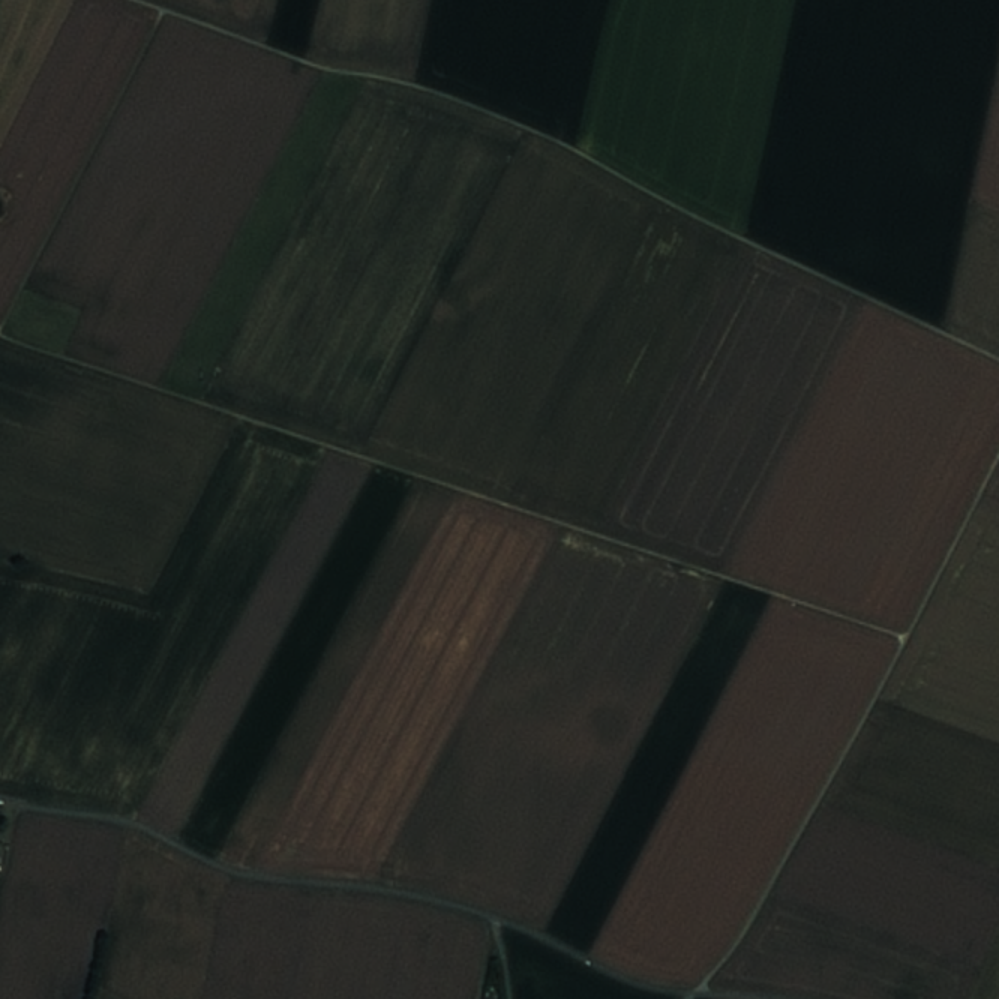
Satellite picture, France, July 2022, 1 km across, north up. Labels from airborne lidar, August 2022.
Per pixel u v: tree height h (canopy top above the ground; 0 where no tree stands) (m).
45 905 0
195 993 0
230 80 0
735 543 0
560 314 0
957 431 0
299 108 0
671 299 0
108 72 0
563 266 0
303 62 0
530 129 0
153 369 0
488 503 0
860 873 0
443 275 0
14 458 0
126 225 0
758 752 0
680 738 0
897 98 0
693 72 0
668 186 0
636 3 0
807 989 0
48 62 0
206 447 0
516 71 0
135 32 0
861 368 0
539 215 0
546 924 0
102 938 13
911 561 0
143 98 0
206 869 0
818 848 0
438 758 0
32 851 0
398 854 0
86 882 0
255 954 0
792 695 0
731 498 0
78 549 0
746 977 0
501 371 0
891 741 0
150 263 0
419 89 0
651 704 0
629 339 0
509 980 0
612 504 0
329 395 0
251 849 0
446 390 0
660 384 0
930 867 0
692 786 0
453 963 0
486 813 0
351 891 0
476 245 0
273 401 0
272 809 0
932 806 0
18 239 0
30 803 0
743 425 0
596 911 0
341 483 0
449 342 0
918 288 0
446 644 0
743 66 0
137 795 0
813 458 0
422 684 0
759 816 0
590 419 0
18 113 0
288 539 0
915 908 0
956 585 0
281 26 0
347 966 0
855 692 0
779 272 0
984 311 0
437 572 0
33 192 0
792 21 0
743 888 0
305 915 0
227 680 0
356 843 0
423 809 0
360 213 0
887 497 0
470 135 0
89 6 0
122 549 0
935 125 0
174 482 0
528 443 0
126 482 0
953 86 0
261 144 0
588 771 0
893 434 0
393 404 0
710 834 0
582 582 0
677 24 0
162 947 0
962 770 0
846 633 0
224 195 0
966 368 0
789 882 0
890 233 0
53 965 0
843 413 0
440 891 0
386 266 0
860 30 0
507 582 0
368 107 0
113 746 0
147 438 0
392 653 0
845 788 0
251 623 0
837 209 0
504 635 0
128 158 0
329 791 0
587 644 0
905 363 0
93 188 0
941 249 0
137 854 0
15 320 0
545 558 0
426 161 0
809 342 0
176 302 0
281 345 0
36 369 0
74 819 0
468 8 0
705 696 0
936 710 0
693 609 0
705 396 0
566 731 0
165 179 0
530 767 0
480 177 0
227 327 0
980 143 0
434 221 0
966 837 0
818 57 0
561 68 0
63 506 0
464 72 0
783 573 0
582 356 0
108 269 0
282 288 0
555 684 0
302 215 0
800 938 0
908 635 0
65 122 0
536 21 0
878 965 0
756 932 0
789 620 0
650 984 0
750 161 0
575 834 0
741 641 0
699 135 0
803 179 0
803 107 0
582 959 0
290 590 0
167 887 0
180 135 0
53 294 0
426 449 0
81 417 0
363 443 0
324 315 0
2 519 0
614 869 0
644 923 0
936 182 0
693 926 0
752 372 0
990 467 0
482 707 0
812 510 0
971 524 0
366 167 0
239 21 0
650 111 0
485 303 0
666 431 0
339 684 0
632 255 0
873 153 0
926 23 0
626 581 0
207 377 0
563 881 0
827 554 0
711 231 0
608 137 0
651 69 0
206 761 0
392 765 0
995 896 0
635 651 0
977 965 0
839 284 0
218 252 0
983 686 0
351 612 0
